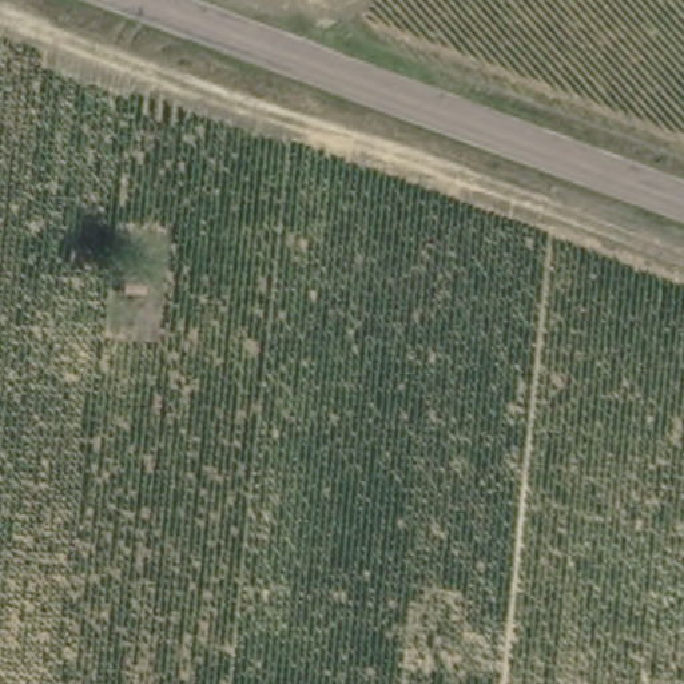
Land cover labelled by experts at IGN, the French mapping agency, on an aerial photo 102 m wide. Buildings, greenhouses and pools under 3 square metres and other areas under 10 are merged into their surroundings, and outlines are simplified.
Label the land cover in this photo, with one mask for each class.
<instances>
[{"label":"vineyard","instance_id":"1","mask_svg":"<svg viewBox=\"0 0 684 684\"><path fill-rule=\"evenodd\" d=\"M369 11L379 21L425 37L428 43L452 45L462 53L481 56L492 64L508 67L516 75L545 80L553 88L574 91L625 115L684 134V0H371ZM120 222H160L163 227H168L171 240L176 243V254H168L163 289L150 286L142 297L128 294L126 289L112 291L110 281L96 275V267H107L112 257H118L123 246L131 240L128 232L118 230ZM0 684H684V286L657 278L652 273H639L617 259L601 257L569 240L550 238L548 232L532 224H521L508 216L481 211L438 190L411 184L401 176H390L377 168L347 163L339 155H331L302 142H275L265 136H251L243 128L216 123L211 118L192 115L184 110H179L176 123H171V96L166 91L118 96L96 86H80L77 80H67L53 69L40 67V48L35 43L0 35Z\"/></svg>","mask_w":684,"mask_h":684},{"label":"herbaceous vegetation","instance_id":"2","mask_svg":"<svg viewBox=\"0 0 684 684\"><path fill-rule=\"evenodd\" d=\"M0 35L35 43L40 48V67L53 69L67 80H77L80 86H96L118 96L166 91L171 96V123H176L179 110H184L192 115L211 118L216 123L243 128L251 136H265L275 142H302L331 155H339L347 163L377 168L390 176H401L411 184L438 190L481 211L508 216L521 224H532L548 232L550 238L569 240L601 257L617 259L639 273H652L657 278L684 286V222L668 219L636 203L620 200L615 195L582 187L577 182L545 174L518 160L494 155L489 150L465 144L446 134L395 118L390 112L350 102L339 94L323 91L305 80L283 77L278 72L222 53L216 48L198 45L163 29L139 24L128 16H118L86 0H0ZM243 19L289 29L347 56L363 59L374 67L406 75L441 91H452L468 102L492 107L502 115H513L534 126L561 131L577 142L612 150L623 158L655 166L665 174L684 179V134L625 115L574 91L553 88L545 80L516 75L508 67L492 64L481 56L462 53L452 45L428 43L425 37L379 21L369 11L371 0H206Z\"/></svg>","mask_w":684,"mask_h":684},{"label":"impervious surface","instance_id":"3","mask_svg":"<svg viewBox=\"0 0 684 684\"><path fill-rule=\"evenodd\" d=\"M118 16H128L139 24L163 29L198 45L216 48L222 53L278 72L283 77L305 80L323 91L339 94L350 102L390 112L395 118L446 134L465 144L489 150L494 155L518 160L545 174L577 182L582 187L615 195L620 200L636 203L668 219L684 222V179L665 174L655 166L623 158L612 150L577 142L561 131L534 126L513 115H502L492 107L468 102L452 91H441L406 75L374 67L363 59L347 56L289 29L243 19L206 0H86Z\"/></svg>","mask_w":684,"mask_h":684},{"label":"deciduous trees","instance_id":"4","mask_svg":"<svg viewBox=\"0 0 684 684\"><path fill-rule=\"evenodd\" d=\"M118 230L128 232L131 240L123 246L118 257H112L107 267H96V275L110 281L112 291L126 289V283L150 286L163 289L168 254H176V243L171 240L168 227H163L160 222H120Z\"/></svg>","mask_w":684,"mask_h":684},{"label":"building","instance_id":"5","mask_svg":"<svg viewBox=\"0 0 684 684\"><path fill-rule=\"evenodd\" d=\"M150 286L126 283V289L128 294L142 297Z\"/></svg>","mask_w":684,"mask_h":684}]
</instances>
